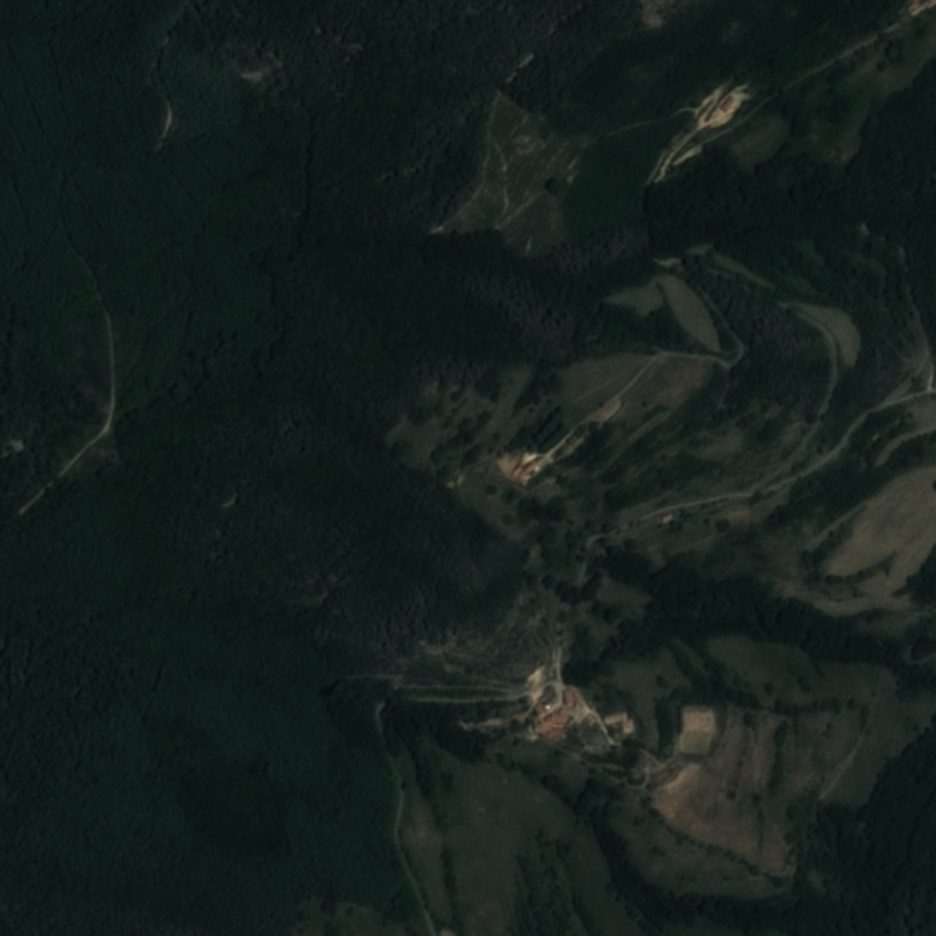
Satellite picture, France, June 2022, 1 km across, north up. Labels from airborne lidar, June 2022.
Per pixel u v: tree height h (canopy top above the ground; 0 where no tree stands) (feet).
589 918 40
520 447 34
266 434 67
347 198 60
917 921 53
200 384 25
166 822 73
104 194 45
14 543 52
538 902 47
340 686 65
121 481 50
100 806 73
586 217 20
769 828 0
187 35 20
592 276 64
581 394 0
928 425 0
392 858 32
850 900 72
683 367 0
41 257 51
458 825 0
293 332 61
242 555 69
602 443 38
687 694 31
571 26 51
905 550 0
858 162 63
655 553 0
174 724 41
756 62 22
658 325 52
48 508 25
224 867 51
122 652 48
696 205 31
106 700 67
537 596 19
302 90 42
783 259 30
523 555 28
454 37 68
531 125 0
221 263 29
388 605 55
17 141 40
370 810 68
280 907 57
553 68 53
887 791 68
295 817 69
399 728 50
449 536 42
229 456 80
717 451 0
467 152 55
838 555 0
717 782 0
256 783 55
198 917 64
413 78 64
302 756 70
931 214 91
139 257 28
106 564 64
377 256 52
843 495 39
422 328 52
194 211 46
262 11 48
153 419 63
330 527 50
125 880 60
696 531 0
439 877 0
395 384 65
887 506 0
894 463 32
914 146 25
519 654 0
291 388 72
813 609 34
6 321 25
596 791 58
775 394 32
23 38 45
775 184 41
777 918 57
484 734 27
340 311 69
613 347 27
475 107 43
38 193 44
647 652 39
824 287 49
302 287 54
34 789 74
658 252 73
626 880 37
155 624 53
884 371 25
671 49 22
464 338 47
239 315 25
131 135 43
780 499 0
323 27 65
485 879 0
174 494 63
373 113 64
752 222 92
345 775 58
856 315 23
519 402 27
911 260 43
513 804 0
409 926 27
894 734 0
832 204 75
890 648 32
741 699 32
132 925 69
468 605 28
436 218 33
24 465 50
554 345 47
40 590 80
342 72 47
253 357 27
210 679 48
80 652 85
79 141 45
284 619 52
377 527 59
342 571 56
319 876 62
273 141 31
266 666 55
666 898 32
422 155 76
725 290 36
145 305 26
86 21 41
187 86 30
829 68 24
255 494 67
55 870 55
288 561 69
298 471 82
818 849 43
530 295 78
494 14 63
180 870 56
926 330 20
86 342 0
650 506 0
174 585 70
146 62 29
